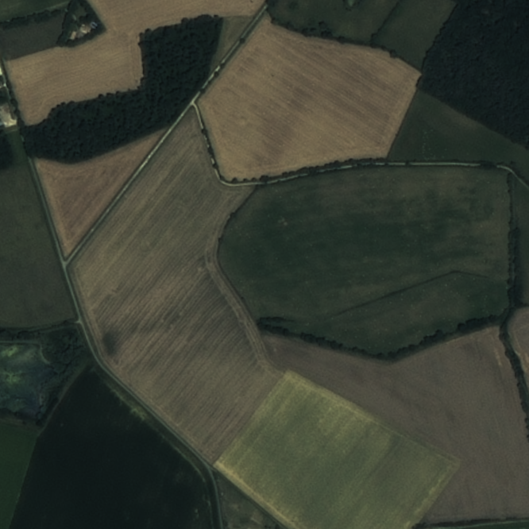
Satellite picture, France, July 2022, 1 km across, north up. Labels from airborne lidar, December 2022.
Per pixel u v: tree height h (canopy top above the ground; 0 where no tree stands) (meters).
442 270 0
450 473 0
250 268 0
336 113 0
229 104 0
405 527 0
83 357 21
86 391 0
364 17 0
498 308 0
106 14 0
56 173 0
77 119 19
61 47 9
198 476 0
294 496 0
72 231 0
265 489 0
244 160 0
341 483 0
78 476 0
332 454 0
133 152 0
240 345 0
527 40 21
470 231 0
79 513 0
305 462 0
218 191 0
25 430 0
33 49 0
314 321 0
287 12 0
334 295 0
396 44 0
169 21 0
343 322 0
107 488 0
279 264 0
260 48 0
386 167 7
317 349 0
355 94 0
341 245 0
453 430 0
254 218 0
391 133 0
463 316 0
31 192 0
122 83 0
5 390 0
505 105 17
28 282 0
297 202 0
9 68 0
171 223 0
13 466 0
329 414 0
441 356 0
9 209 0
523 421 0
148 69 18
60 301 0
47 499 0
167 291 0
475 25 20
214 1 0
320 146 0
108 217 0
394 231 0
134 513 0
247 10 0
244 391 0
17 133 0
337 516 0
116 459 0
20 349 0
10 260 0
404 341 0
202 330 0
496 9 19
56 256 0
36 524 0
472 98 15
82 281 0
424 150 0
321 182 0
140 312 0
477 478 0
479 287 0
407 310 0
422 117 0
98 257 0
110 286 0
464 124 0
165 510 0
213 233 0
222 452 0
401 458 0
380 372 0
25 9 0
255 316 0
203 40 17
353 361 0
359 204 0
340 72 0
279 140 0
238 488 0
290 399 0
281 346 0
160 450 0
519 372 8
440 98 9
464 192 0
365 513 0
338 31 0
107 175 0
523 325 0
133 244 0
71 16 10
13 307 0
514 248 9
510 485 0
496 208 0
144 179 0
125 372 0
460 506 0
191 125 0
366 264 0
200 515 0
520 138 10
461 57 15
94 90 0
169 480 0
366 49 0
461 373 0
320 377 0
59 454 0
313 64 0
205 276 0
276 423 0
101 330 0
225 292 0
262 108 0
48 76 0
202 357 0
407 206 0
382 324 0
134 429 0
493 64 20
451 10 0
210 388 0
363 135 0
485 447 0
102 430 0
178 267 0
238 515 0
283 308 0
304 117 0
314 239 0
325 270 0
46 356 8
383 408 0
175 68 17
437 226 0
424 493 0
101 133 23
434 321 0
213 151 9
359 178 0
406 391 0
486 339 0
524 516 0
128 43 0
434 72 12
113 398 0
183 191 0
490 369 0
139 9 0
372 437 0
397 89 0
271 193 0
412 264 0
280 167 0
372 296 0
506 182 0
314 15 0
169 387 0
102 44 0
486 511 0
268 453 0
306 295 0
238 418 0
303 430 0
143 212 0
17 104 12
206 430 0
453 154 0
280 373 0
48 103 0
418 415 0
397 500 0
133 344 0
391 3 0
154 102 19
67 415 0
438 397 0
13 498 0
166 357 0
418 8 0
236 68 0
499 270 0
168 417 0
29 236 0
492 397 0
